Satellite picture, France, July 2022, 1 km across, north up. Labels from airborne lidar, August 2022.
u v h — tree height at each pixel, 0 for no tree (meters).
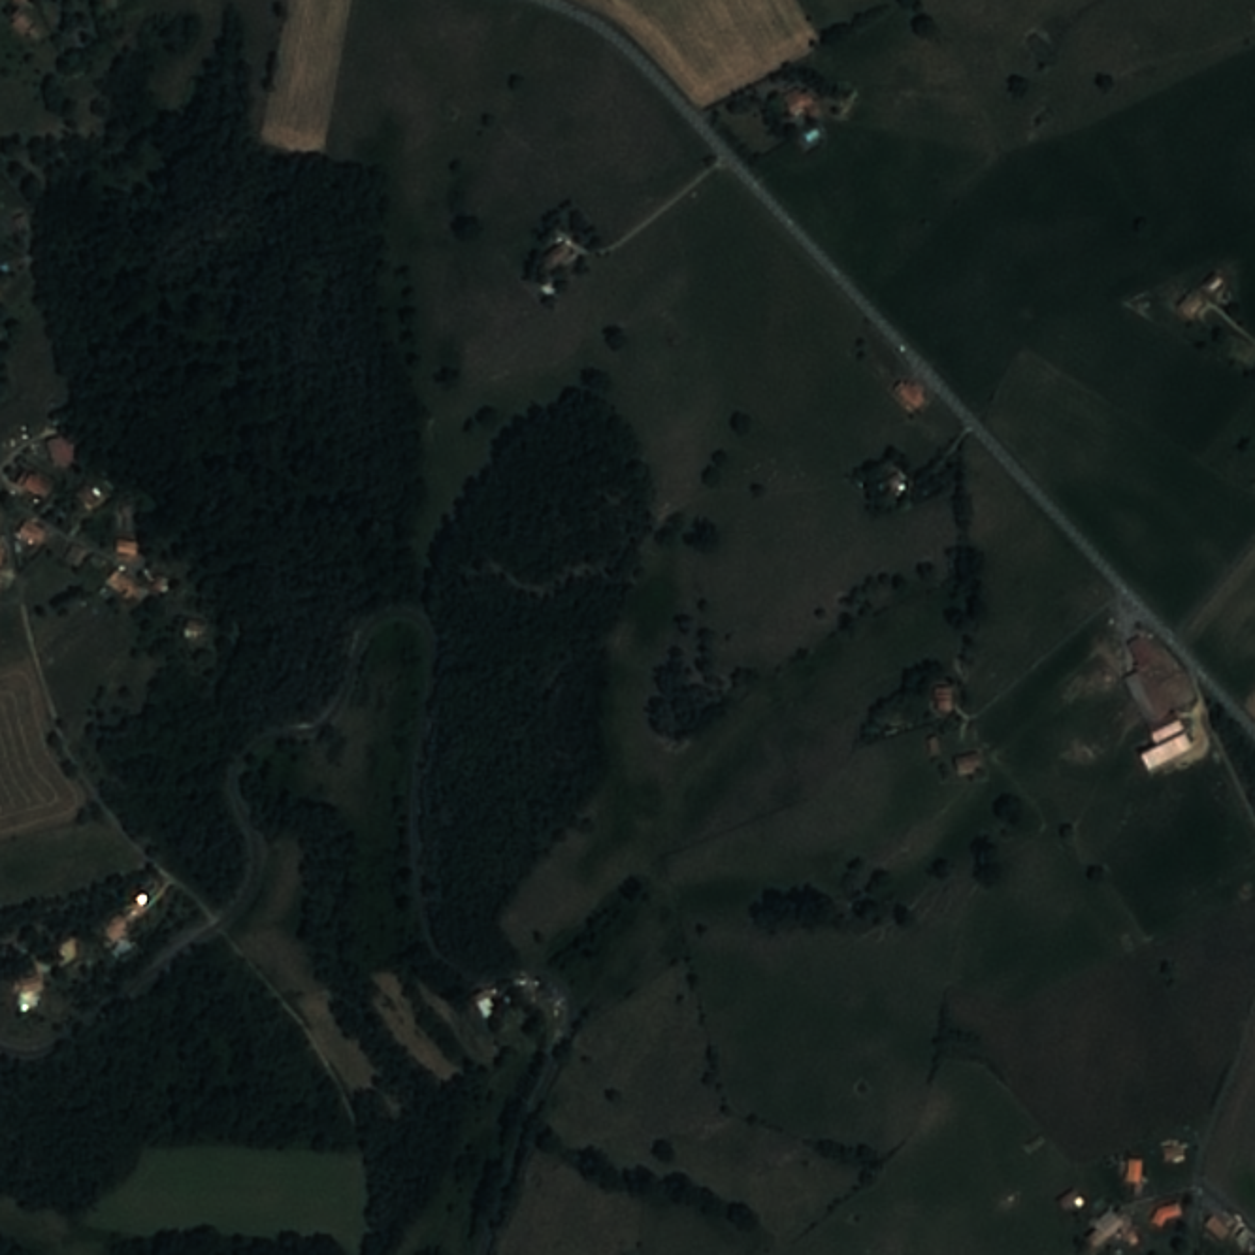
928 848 0
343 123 0
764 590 0
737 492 0
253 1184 0
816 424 0
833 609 0
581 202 0
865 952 0
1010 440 0
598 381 20
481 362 0
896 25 0
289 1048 7
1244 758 7
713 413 0
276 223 17
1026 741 0
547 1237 0
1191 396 0
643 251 0
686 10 0
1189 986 0
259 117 0
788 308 0
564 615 9
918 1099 0
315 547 18
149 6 0
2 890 0
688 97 0
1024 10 0
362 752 0
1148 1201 0
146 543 16
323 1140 15
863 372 0
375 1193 13
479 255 0
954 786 0
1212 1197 0
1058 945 0
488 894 9
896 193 0
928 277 0
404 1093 16
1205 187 0
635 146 0
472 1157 10
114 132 15
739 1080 0
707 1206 18
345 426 19
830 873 0
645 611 0
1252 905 0
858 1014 0
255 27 0
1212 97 0
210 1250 16
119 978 15
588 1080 0
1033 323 0
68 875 0
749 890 0
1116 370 0
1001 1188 0
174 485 27
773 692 0
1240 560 0
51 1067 15
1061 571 0
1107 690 0
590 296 0
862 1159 9
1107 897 0
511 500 12
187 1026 12
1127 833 0
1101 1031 0
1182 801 0
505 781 11
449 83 0
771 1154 0
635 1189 16
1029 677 0
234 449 8
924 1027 0
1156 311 0
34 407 0
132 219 25
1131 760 0
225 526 23
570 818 13
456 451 0
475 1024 0
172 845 12
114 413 19
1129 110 0
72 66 12
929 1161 0
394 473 15
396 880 8
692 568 0
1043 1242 0
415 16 0
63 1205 13
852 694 0
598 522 8
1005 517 0
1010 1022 0
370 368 19
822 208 0
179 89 0
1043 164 0
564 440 13
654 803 0
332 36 0
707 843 0
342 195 17
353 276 19
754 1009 0
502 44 0
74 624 0
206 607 11
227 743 11
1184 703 0
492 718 9
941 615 0
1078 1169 0
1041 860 0
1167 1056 0
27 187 15
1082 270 0
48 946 11
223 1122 19
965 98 0
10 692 0
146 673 0
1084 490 0
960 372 0
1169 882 0
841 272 0
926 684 9
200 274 17
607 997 0
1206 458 0
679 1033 0
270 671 13
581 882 0
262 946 0
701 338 0
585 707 14
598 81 0
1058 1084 0
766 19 0
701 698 9
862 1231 0
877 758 0
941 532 0
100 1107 14
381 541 23
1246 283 0
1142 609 0
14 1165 13
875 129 0
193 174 21
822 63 0
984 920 0
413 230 0
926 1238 0
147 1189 0
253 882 0
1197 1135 0
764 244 0
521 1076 0
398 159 0
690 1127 0
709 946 0
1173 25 0
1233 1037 0
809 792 0
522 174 0
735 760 0
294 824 16
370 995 16
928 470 9
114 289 22
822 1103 0
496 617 12
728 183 0
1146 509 0
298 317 17
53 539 0
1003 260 0
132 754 9
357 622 10
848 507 0
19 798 0
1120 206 0
